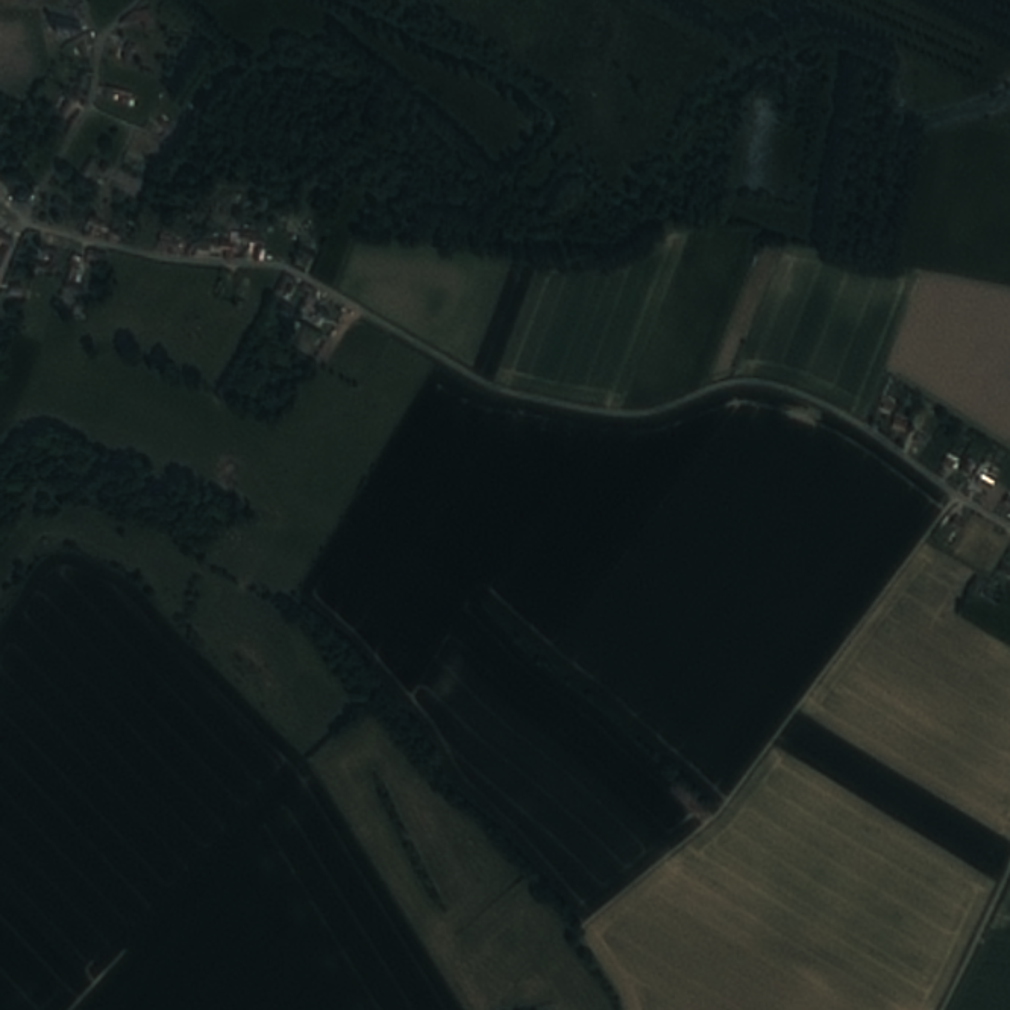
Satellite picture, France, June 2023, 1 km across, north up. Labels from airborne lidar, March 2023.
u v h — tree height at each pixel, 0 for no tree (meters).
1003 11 39
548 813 0
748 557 0
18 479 16
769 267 0
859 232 35
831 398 0
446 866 0
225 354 0
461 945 0
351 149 8
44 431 22
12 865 0
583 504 0
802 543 0
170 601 0
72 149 0
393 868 0
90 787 0
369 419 0
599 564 0
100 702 0
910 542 0
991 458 0
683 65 0
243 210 9
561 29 0
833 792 0
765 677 0
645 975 0
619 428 0
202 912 0
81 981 0
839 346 0
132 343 26
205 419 0
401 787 0
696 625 0
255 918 0
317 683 0
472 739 0
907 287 0
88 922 0
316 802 0
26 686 0
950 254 0
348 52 16
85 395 0
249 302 0
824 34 26
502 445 0
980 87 0
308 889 0
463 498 0
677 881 0
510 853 12
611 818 0
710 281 0
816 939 0
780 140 0
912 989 0
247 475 0
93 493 9
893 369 0
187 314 0
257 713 0
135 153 0
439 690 0
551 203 26
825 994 0
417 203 20
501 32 0
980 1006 0
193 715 0
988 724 0
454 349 0
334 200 12
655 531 0
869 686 0
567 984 0
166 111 0
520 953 0
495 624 0
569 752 0
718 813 0
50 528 0
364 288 0
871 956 0
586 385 0
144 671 0
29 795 0
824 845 0
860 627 0
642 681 0
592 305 0
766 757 0
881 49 36
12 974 0
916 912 0
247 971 0
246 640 0
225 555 0
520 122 0
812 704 0
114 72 0
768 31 34
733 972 0
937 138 0
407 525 0
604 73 0
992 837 0
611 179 0
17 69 0
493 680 0
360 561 0
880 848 0
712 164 17
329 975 0
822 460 0
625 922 0
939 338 0
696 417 0
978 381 0
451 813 0
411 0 0
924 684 0
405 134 30
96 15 0
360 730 0
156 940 0
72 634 0
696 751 0
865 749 0
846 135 32
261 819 0
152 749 0
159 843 0
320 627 19
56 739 0
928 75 0
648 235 32
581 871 0
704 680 0
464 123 0
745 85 14
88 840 0
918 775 0
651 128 0
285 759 0
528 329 0
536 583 0
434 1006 0
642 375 0
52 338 0
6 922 0
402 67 0
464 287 0
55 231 0
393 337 0
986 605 0
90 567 0
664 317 0
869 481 0
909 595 0
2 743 0
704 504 0
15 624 0
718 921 0
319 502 0
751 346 0
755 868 0
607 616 0
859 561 0
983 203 0
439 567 0
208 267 0
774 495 0
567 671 0
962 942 0
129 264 0
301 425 0
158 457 0
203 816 0
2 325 8
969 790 0
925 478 0
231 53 8
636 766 0
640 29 0
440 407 0
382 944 0
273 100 11
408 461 0
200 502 19
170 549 0
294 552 0
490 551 0
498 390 0
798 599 0
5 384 0
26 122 14
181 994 0
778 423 0
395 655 0
